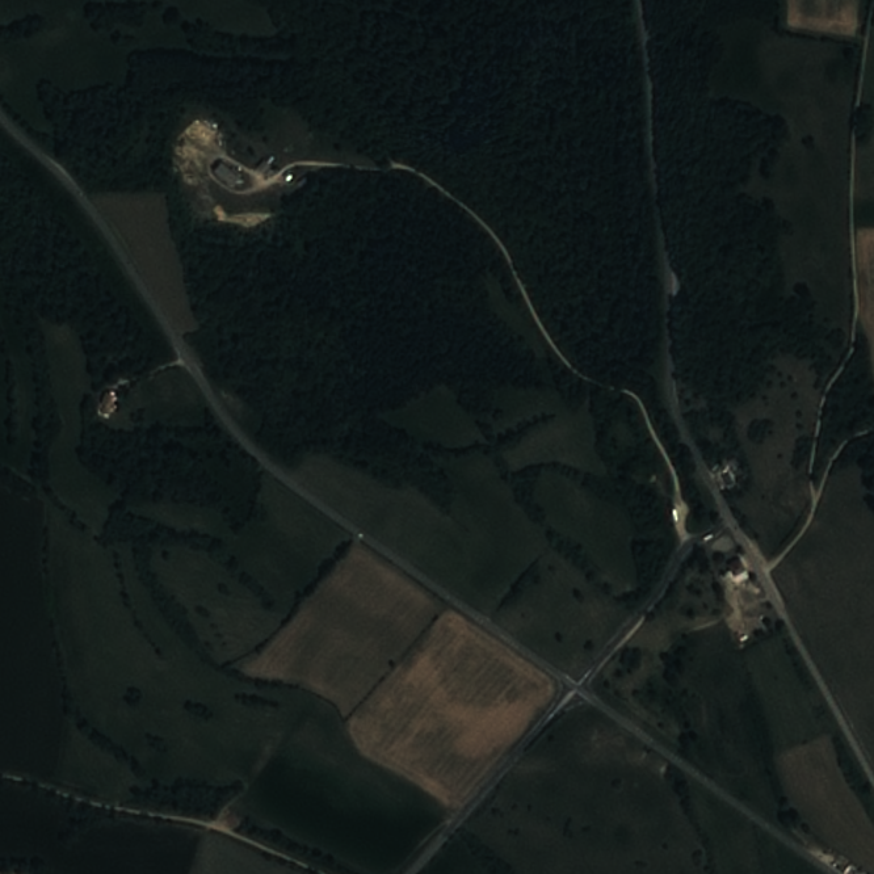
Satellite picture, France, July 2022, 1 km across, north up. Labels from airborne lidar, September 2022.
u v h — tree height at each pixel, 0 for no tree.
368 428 19
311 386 15
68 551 0
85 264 14
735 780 0
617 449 9
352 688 0
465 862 0
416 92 35
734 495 13
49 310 21
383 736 0
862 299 0
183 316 0
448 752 0
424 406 0
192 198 0
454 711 0
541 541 0
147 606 0
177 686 0
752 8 8
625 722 0
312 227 11
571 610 0
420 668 0
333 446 15
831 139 0
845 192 0
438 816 0
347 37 31
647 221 24
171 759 0
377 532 0
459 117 31
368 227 18
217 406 0
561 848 0
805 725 0
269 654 0
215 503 19
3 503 0
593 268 22
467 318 12
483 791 0
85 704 0
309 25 24
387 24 33
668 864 0
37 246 18
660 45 14
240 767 0
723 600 8
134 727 0
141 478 15
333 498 0
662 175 17
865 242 0
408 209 13
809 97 0
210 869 0
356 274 13
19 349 0
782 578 0
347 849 0
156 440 17
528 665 0
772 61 0
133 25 9
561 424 0
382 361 17
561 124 12
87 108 15
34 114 0
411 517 0
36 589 0
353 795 0
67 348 0
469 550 0
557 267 9
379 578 0
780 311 6
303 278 15
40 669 0
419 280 19
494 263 15
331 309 15
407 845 0
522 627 0
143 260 0
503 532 0
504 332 18
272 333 14
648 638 0
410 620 0
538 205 25
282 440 6
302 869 7
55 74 0
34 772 0
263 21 0
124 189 8
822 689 0
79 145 15
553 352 7
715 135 11
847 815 0
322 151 0
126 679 0
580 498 0
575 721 0
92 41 0
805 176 0
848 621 0
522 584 7
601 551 0
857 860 0
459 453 11
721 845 0
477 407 16
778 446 0
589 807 0
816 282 0
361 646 0
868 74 0
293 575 0
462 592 0
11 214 15
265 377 17
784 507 0
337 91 13
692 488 11
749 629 0
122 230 0
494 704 0
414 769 0
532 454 0
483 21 19
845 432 8
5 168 18
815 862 0
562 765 0
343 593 0
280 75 19
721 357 9
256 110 12
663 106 13
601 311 20
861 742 0
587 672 0
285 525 0
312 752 0
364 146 11
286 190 0
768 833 0
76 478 0
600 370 20
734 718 0
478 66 25
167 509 0
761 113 12
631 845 0
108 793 0
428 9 13
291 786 0
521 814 0
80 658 0
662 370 0
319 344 11
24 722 0
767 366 11
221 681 0
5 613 0
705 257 8
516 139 20
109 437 10
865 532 0
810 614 0
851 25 0
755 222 18
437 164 14
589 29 25
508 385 9
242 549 0
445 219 15
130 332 18
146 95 15
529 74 16
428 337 19
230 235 8
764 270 15
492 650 0
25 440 0
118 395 10
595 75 11
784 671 0
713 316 8
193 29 15
